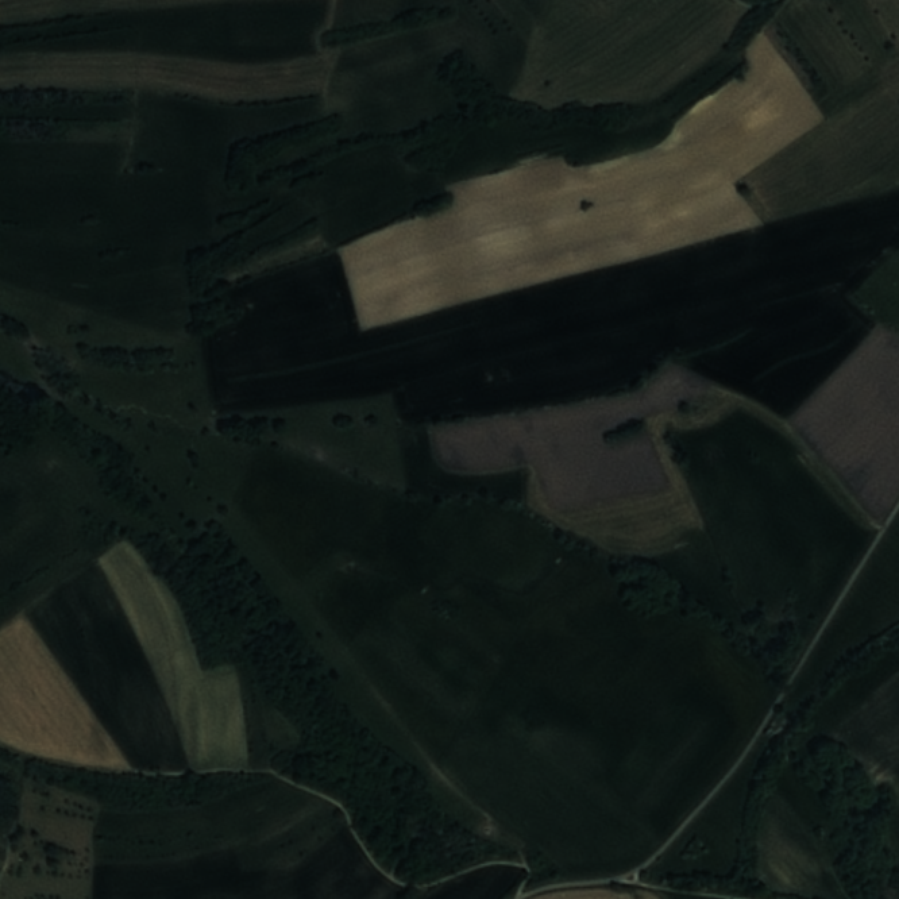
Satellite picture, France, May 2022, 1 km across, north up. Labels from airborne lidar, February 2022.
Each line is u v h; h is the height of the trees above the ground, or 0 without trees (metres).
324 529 0
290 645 19
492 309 0
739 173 0
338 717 10
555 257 0
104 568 0
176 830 0
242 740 0
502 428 0
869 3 0
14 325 15
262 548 0
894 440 0
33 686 0
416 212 9
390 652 0
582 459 0
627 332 0
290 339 0
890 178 0
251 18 0
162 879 0
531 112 10
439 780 0
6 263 0
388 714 0
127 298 0
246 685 0
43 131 12
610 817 0
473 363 0
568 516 0
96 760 0
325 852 0
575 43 0
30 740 0
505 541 0
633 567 16
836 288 0
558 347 0
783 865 0
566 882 0
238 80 0
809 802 0
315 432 0
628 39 0
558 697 0
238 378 0
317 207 0
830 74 0
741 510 0
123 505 6
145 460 0
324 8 0
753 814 6
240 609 13
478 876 0
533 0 0
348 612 0
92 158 0
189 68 0
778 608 0
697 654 0
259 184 11
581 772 0
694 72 0
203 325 14
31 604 0
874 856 21
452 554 0
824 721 0
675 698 0
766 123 0
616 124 8
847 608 0
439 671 0
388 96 0
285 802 0
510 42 0
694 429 0
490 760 0
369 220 0
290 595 0
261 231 0
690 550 0
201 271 11
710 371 0
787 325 0
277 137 13
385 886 0
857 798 18
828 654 0
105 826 0
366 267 0
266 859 0
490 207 0
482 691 0
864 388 0
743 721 0
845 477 0
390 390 0
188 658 0
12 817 11
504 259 0
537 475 0
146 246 0
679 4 0
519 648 0
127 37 0
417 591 0
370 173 0
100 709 0
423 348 0
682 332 0
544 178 0
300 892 0
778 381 0
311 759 12
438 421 11
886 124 0
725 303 0
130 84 0
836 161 0
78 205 0
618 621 0
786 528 0
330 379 0
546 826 0
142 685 0
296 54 0
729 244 0
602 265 0
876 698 0
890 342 0
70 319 0
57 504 0
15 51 0
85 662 0
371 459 0
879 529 0
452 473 0
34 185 0
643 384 9
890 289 0
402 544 0
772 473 0
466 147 0
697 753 0
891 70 0
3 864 0
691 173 0
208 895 0
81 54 0
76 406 0
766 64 0
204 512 0
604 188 0
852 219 0
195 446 0
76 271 0
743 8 0
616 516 0
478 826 0
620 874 0
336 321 0
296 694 9
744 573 0
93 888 0
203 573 9
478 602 0
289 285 0
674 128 0
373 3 0
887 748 0
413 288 0
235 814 0
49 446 0
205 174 0
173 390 0
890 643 17
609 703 0
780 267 0
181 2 0
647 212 0
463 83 13
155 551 9
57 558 0
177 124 0
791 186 0
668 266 0
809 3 0
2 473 0
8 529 0
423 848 13
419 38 0
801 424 0
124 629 0
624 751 0
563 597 0
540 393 0
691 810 0
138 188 0
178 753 0
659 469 0
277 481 0
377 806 8
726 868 0
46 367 14
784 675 18
